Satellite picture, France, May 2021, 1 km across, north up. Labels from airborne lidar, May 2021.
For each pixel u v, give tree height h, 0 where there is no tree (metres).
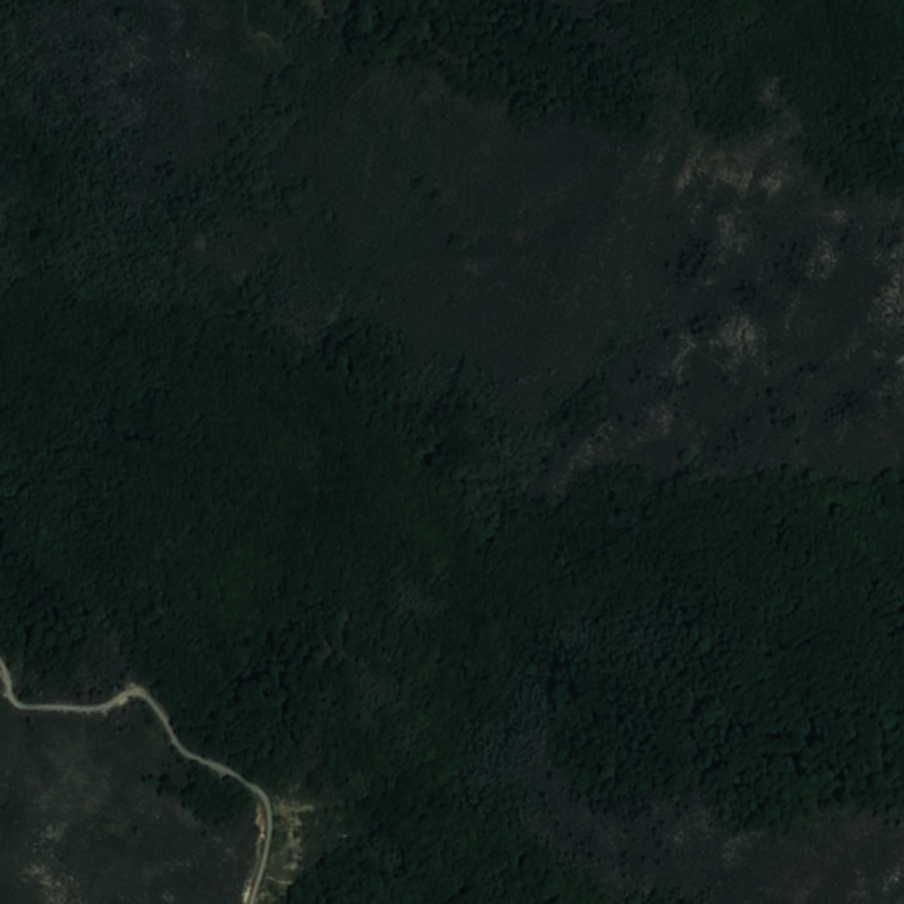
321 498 29
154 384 12
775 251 0
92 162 17
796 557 19
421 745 16
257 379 20
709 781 15
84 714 0
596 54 17
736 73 15
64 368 20
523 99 19
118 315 23
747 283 12
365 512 18
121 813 0
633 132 11
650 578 27
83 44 7
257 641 24
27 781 0
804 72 13
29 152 18
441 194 17
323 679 21
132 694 0
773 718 29
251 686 28
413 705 8
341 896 15
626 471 23
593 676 24
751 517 24
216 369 20
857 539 17
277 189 9
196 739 20
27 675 6
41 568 20
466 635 29
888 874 0
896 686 26
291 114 13
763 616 24
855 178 11
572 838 11
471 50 17
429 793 22
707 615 21
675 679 12
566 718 24
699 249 13
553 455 7
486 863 18
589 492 28
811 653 23
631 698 18
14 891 0
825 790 19
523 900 16
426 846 15
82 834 0
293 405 19
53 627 13
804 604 30
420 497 18
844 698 28
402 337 7
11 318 22
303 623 16
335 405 24
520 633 21
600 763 12
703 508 19
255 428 16
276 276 8
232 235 7
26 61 7
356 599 11
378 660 10
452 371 7
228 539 18
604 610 15
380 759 21
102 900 0
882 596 27
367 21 30
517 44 32
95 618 13
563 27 18
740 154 0
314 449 9
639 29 12
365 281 7
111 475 18
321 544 17
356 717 7
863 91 22
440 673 20
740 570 17
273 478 14
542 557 29
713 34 9
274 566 17
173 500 21
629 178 0
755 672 23
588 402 23
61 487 20
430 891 8
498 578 32
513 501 14
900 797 18
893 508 32
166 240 10
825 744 37
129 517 17
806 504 29
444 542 15
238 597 16
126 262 11
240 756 22
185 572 23
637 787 11
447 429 23
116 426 26
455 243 14
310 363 24
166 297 8
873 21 22
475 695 28
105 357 13
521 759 6
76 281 10
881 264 0
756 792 20
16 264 9
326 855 12
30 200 10
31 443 12
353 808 13
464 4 23
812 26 20
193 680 19
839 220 0
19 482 13
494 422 15
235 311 17
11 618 18
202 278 19
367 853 27
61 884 0
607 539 25
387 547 14
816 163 6
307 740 15
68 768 0
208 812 14
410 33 23
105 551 13
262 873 0
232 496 14
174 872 0
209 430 17
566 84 15
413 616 22
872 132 19
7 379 22
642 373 12
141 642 17
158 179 10
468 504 27
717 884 7
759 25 10
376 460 18
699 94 10
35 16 7
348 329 30
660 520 20
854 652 21
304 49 8
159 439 20
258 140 16
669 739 16
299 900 19
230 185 10
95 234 15
